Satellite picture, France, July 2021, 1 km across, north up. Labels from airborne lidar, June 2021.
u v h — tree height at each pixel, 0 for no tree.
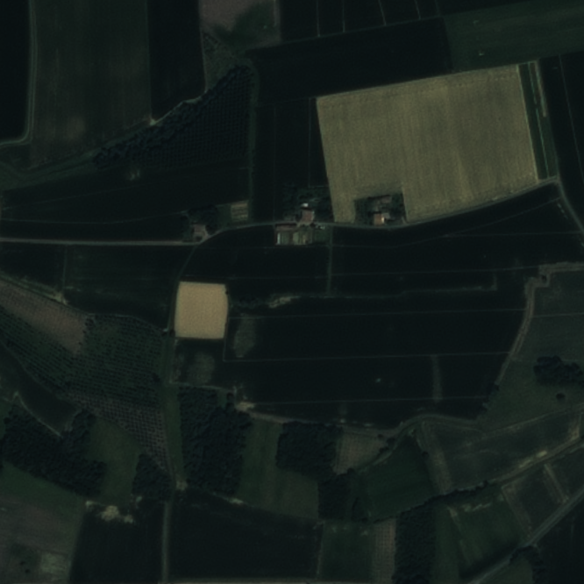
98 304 0
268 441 0
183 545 0
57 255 0
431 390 0
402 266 0
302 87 0
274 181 0
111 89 0
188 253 0
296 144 0
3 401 0
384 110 0
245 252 0
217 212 16
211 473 21
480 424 0
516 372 0
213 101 22
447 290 0
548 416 0
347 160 0
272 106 0
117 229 0
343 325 0
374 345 0
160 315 0
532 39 0
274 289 0
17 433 17
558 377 24
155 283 0
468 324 0
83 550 0
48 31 0
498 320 0
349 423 0
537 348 0
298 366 0
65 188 0
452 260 0
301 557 0
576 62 0
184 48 0
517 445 0
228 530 0
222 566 0
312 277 0
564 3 0
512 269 0
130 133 0
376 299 0
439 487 0
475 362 0
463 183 0
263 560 0
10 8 0
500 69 0
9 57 0
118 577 0
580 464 0
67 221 0
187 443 11
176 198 0
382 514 0
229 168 0
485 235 0
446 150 0
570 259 0
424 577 9
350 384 0
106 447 0
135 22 0
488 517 0
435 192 0
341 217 0
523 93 0
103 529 0
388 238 0
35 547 0
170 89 0
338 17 0
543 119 0
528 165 0
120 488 0
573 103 0
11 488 0
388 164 0
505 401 0
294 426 17
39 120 0
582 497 0
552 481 0
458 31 0
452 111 0
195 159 23
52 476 17
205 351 0
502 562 0
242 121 22
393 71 0
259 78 0
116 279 0
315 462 23
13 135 0
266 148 0
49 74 0
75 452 11
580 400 0
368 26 0
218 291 0
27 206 0
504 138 0
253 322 0
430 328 0
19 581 0
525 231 0
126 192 0
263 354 0
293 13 0
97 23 0
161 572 0
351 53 0
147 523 0
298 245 0
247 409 0
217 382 0
